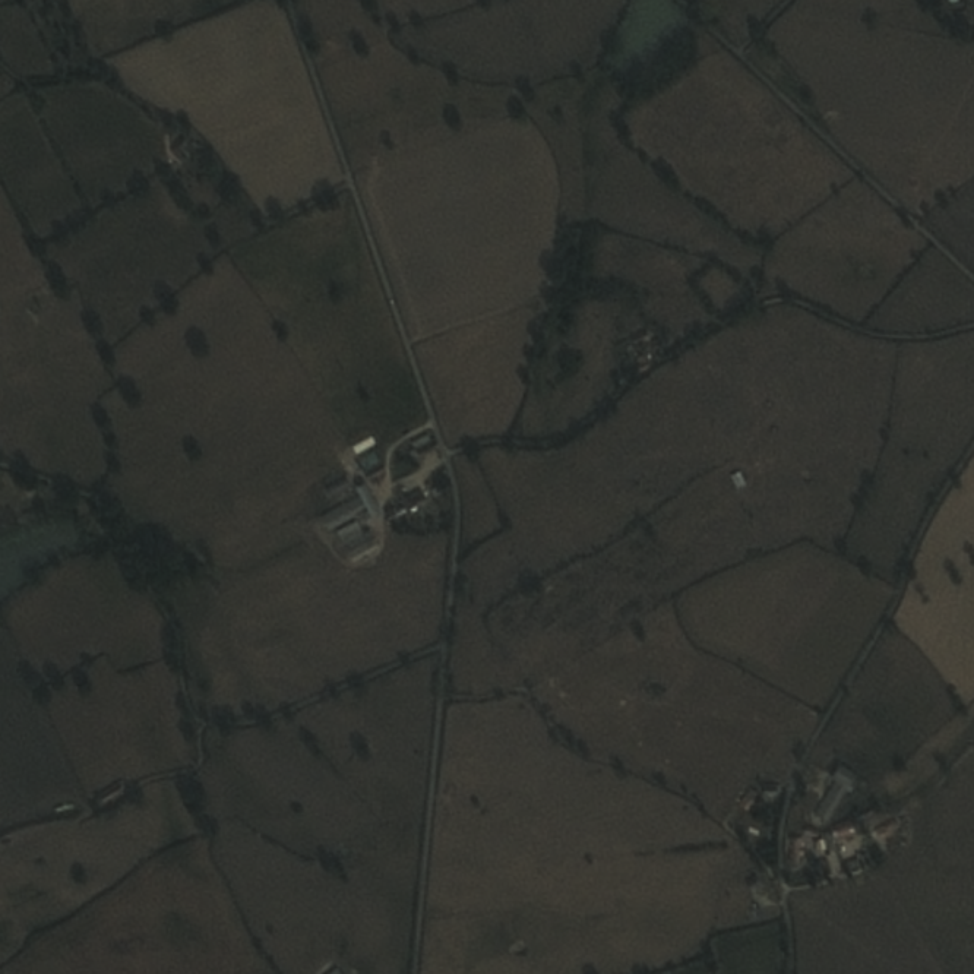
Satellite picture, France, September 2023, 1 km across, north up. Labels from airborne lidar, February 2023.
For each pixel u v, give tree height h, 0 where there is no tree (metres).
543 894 0
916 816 0
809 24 0
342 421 0
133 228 0
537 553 0
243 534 0
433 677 8
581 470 0
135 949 0
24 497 0
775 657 0
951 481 13
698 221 0
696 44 10
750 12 0
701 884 0
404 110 0
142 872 0
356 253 0
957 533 0
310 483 0
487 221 0
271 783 0
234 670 0
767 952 0
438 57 0
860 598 0
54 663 0
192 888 0
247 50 0
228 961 0
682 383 0
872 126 0
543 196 0
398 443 0
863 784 0
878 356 0
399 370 0
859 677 0
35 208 0
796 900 0
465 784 0
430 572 0
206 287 0
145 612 0
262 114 0
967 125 0
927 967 0
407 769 0
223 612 0
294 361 0
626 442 0
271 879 0
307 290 0
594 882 0
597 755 0
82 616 0
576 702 0
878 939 0
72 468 0
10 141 0
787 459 0
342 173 0
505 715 0
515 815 0
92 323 19
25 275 0
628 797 0
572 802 0
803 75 0
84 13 0
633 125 0
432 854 0
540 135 0
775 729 0
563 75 0
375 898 0
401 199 0
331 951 0
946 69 0
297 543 0
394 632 0
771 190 0
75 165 0
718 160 0
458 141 0
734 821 0
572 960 0
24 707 0
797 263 0
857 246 0
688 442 0
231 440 0
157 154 0
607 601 0
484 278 0
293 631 0
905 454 7
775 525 0
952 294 0
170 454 0
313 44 18
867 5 0
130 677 0
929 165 0
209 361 0
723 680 0
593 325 0
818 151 0
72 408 0
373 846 0
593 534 0
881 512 0
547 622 0
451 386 0
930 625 0
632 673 0
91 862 0
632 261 0
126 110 0
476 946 0
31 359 0
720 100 0
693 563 0
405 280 0
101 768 0
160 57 0
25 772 0
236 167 0
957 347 0
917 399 0
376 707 0
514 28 0
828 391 0
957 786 0
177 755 0
